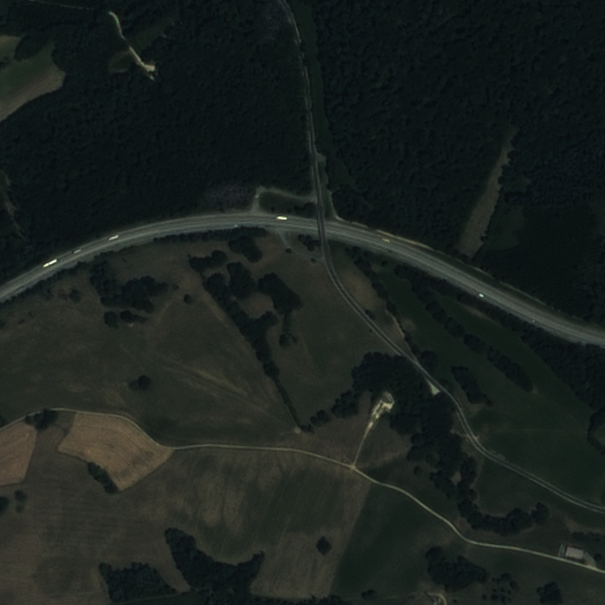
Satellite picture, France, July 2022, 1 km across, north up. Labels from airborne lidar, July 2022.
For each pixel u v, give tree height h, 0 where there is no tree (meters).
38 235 23
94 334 0
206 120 20
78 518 0
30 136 23
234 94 23
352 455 0
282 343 13
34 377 0
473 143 26
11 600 0
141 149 25
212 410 0
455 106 23
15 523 0
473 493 16
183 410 0
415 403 18
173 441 0
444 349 0
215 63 21
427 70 20
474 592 0
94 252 0
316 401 0
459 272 0
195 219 0
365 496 0
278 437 0
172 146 24
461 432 0
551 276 6
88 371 0
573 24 23
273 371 24
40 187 27
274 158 20
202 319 0
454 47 26
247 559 0
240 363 0
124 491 0
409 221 18
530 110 19
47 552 0
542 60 27
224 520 0
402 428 16
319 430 0
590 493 0
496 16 23
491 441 0
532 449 0
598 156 22
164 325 0
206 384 0
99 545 0
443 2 27
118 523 0
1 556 0
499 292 0
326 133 0
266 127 20
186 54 21
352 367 0
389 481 0
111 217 23
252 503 0
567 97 22
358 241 0
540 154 22
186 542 22
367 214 14
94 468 15
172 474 0
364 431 0
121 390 0
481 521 14
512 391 0
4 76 0
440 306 14
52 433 0
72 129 20
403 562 0
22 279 0
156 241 10
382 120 17
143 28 18
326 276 0
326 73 17
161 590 18
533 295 12
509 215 17
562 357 18
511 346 0
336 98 23
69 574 0
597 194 23
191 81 24
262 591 0
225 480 0
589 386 19
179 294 0
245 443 0
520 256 6
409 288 0
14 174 24
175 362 0
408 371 16
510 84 18
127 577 17
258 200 0
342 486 0
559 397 0
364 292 0
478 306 9
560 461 0
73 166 25
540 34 24
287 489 0
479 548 0
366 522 0
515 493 0
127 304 17
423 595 0
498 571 0
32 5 10
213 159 22
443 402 22
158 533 0
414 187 16
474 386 24
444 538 0
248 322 18
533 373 0
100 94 20
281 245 0
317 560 0
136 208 21
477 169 22
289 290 19
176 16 0
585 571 0
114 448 0
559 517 0
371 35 23
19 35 15
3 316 0
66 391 0
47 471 0
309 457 0
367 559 0
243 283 25
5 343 0
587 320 15
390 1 18
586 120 21
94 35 19
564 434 0
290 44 23
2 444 0
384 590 0
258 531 0
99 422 0
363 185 17
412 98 20
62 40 19
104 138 18
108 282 15
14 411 0
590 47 30
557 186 21
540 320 0
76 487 0
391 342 0
